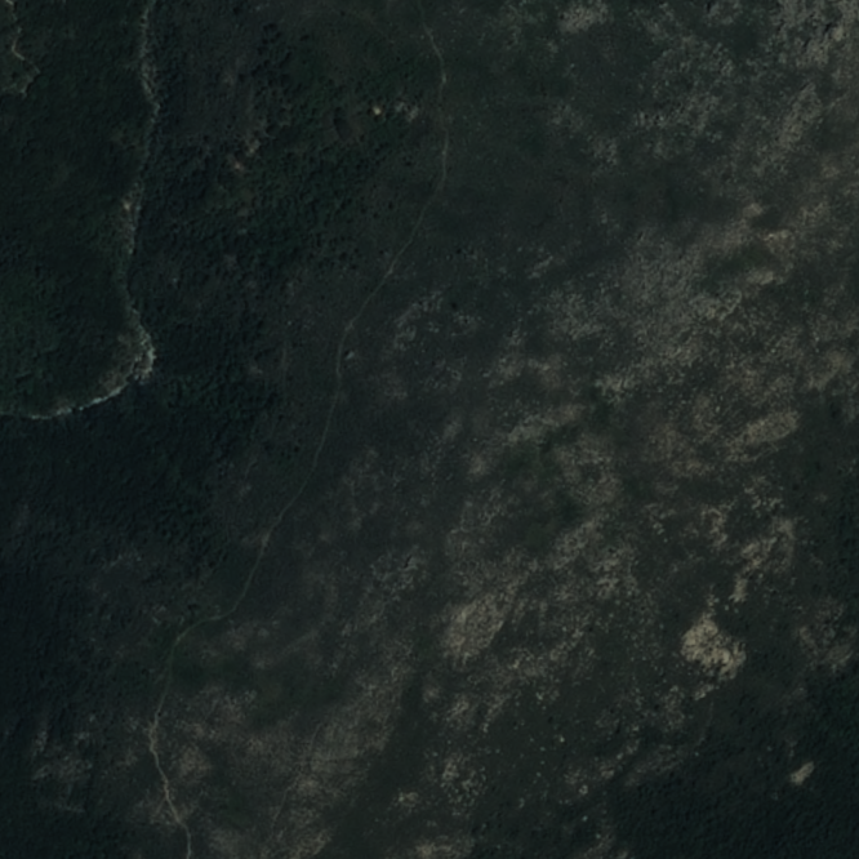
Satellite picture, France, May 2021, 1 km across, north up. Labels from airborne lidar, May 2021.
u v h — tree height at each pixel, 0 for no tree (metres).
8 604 15
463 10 0
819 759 8
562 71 0
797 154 0
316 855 0
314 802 0
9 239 16
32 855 21
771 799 6
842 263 0
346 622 0
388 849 0
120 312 20
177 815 0
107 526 7
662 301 0
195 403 16
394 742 0
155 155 9
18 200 10
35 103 9
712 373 0
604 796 6
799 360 0
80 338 16
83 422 14
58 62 9
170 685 0
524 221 0
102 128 12
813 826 11
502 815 9
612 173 0
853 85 0
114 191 20
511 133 0
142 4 14
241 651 0
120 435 17
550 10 0
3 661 13
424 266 0
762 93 0
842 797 7
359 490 0
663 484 0
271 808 0
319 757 0
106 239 10
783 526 0
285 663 0
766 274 0
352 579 0
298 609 0
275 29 13
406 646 0
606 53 0
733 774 9
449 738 0
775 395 0
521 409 0
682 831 16
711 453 0
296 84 6
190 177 8
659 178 0
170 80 7
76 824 11
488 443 0
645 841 7
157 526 10
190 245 7
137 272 11
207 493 6
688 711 5
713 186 0
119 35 26
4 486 15
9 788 13
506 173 0
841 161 0
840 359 0
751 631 12
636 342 0
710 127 0
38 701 9
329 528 0
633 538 0
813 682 8
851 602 12
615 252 0
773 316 0
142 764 0
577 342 0
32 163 11
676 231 0
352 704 0
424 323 0
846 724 8
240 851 0
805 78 0
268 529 0
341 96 17
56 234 11
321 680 0
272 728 0
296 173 9
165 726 0
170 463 14
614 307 0
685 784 15
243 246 10
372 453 0
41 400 14
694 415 0
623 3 0
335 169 11
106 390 8
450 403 0
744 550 0
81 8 11
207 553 7
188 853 0
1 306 19
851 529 11
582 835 8
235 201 7
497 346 0
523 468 0
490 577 0
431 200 0
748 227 0
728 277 0
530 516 0
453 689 0
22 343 15
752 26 0
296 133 10
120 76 15
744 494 0
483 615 0
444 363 0
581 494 0
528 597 0
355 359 0
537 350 0
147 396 18
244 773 0
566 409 0
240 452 9
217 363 9
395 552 0
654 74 0
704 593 0
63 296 11
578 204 0
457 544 0
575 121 0
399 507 0
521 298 0
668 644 0
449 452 0
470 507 0
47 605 7
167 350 14
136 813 0
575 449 0
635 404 0
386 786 0
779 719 6
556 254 0
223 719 0
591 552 0
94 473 10
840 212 0
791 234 0
